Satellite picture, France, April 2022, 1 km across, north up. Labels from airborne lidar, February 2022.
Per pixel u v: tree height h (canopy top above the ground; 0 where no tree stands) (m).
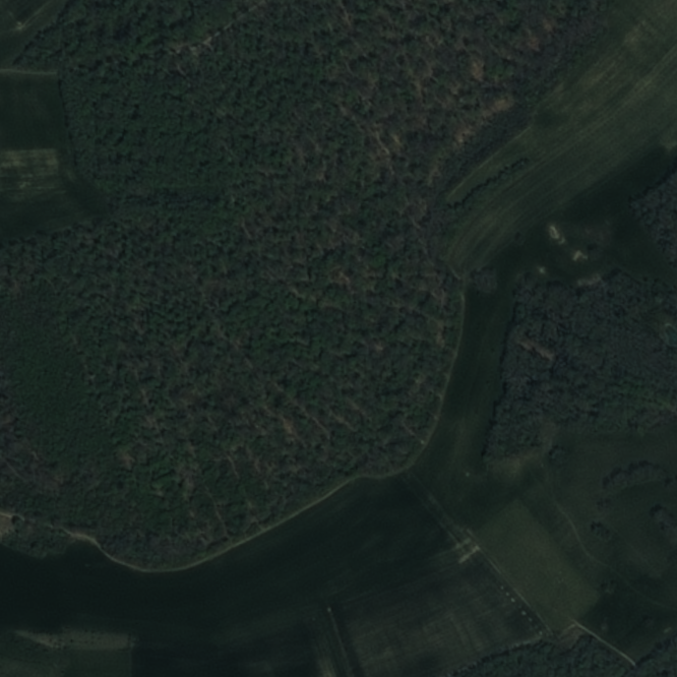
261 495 8
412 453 7
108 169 22
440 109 21
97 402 11
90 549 0
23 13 0
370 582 0
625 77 0
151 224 21
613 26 0
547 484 0
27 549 17
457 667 0
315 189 27
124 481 6
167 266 22
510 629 0
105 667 0
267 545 0
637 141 0
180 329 20
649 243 0
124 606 0
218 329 20
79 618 0
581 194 0
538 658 18
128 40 19
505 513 0
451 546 0
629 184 0
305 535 0
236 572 0
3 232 0
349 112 24
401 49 26
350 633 0
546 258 0
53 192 0
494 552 0
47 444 11
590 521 0
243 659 0
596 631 0
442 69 30
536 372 23
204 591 0
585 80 0
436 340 30
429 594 0
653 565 0
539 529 0
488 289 21
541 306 7
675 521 19
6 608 0
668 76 0
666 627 0
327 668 0
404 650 0
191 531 23
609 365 24
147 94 21
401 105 26
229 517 8
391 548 0
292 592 0
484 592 0
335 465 26
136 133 19
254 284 21
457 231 13
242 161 22
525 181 0
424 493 0
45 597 0
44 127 0
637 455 0
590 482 0
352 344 31
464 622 0
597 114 0
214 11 21
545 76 28
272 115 19
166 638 0
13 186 0
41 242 18
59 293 10
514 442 8
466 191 0
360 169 25
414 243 29
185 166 20
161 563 13
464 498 0
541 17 27
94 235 19
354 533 0
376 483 0
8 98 0
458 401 0
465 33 30
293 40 25
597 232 0
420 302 8
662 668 24
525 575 0
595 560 0
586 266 0
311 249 6
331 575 0
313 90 26
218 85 18
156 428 18
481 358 0
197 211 20
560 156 0
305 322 29
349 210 22
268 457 11
